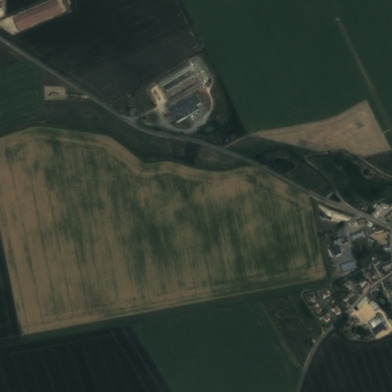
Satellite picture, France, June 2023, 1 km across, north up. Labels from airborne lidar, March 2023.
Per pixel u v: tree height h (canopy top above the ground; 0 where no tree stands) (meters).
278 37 0
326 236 0
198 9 0
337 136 0
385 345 0
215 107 0
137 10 0
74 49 0
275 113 0
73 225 0
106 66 0
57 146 0
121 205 0
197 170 0
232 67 0
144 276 0
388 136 0
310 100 0
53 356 0
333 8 0
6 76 0
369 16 0
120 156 0
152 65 0
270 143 0
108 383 0
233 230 0
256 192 0
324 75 0
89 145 0
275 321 0
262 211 0
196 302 0
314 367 0
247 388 0
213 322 0
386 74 0
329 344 0
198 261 0
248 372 0
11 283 0
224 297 0
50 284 0
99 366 0
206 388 0
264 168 0
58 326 0
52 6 0
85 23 0
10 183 0
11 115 0
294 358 0
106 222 0
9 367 0
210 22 0
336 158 0
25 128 0
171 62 0
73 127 0
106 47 0
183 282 0
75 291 0
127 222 0
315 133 0
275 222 0
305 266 0
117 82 0
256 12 0
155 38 0
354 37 0
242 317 0
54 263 0
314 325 0
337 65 0
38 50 0
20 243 0
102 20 0
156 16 0
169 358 0
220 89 0
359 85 0
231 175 0
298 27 0
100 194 0
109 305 0
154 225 0
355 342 0
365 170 7
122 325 0
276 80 0
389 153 0
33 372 0
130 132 0
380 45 0
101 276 0
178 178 0
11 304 0
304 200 0
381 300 0
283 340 0
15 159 0
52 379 0
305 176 0
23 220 0
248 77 0
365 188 0
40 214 0
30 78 0
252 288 0
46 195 0
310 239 0
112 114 0
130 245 0
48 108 0
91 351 0
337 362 0
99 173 0
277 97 0
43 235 0
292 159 0
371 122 0
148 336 0
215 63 0
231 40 0
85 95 0
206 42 0
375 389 0
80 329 0
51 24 0
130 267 0
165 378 0
